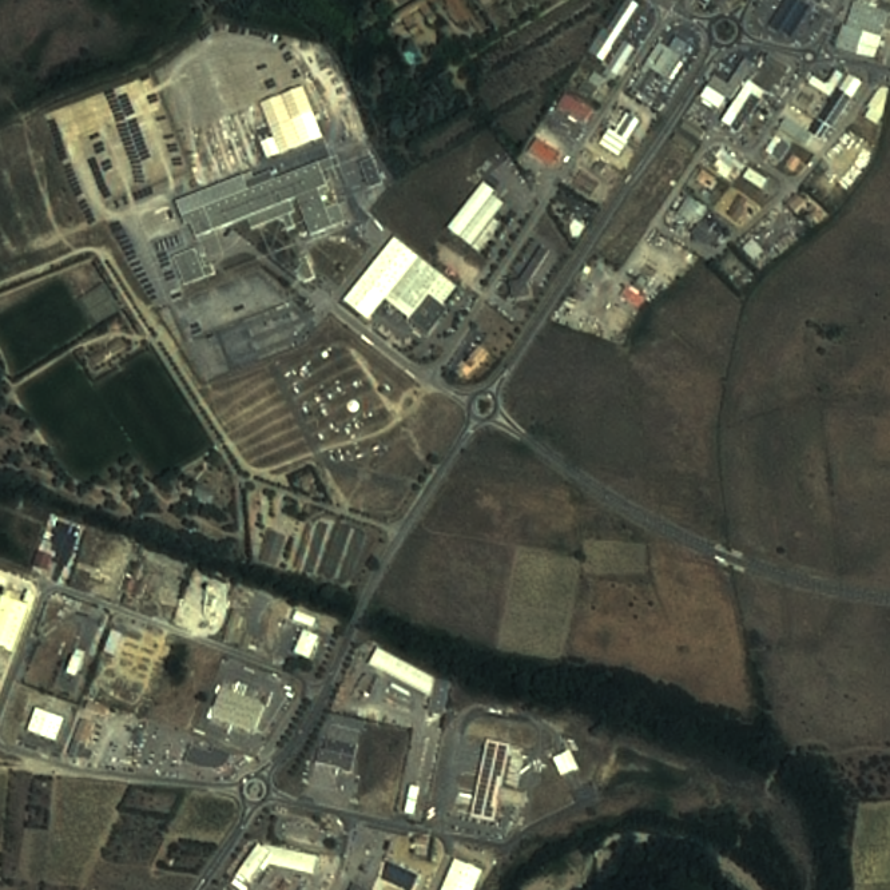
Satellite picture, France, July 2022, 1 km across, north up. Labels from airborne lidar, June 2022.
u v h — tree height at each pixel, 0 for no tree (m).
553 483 0
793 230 0
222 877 0
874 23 0
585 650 0
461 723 0
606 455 0
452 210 0
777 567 0
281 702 0
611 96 0
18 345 0
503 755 0
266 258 0
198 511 14
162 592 0
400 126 11
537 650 0
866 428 0
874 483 0
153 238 0
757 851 7
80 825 0
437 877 0
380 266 0
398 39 11
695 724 10
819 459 0
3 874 10
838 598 0
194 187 0
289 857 0
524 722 0
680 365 0
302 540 0
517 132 0
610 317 0
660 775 0
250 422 0
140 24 0
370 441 0
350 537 0
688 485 0
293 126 0
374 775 0
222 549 14
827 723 0
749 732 11
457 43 11
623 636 0
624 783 0
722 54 0
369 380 0
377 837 0
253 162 0
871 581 0
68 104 0
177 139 0
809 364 0
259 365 0
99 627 0
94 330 7
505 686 12
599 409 0
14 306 0
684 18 0
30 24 0
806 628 0
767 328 0
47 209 0
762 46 0
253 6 12
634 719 19
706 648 0
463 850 0
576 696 12
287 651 0
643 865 10
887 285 0
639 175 0
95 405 0
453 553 0
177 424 0
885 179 0
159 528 15
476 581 0
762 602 0
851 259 0
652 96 0
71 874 0
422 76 7
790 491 0
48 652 0
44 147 0
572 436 0
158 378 0
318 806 0
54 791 0
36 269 0
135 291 0
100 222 0
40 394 0
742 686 0
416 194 0
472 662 13
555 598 0
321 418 0
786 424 0
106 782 0
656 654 0
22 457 15
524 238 0
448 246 0
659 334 0
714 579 0
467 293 0
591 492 0
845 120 0
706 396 0
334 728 0
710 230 0
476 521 0
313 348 0
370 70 8
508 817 0
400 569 0
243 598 0
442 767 0
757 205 0
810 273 0
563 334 0
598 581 0
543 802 0
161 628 0
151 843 5
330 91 0
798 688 0
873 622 0
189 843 10
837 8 0
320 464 0
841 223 0
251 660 0
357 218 0
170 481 15
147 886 0
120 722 0
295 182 0
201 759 0
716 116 0
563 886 0
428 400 0
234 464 7
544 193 0
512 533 0
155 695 0
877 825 0
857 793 6
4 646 0
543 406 0
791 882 11
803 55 0
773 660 0
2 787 0
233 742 0
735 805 0
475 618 0
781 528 0
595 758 0
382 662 0
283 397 0
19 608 0
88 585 0
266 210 0
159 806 0
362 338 0
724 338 0
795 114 0
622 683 8
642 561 0
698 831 6
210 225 0
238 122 0
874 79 0
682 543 0
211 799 0
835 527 0
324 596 16
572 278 0
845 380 0
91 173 0
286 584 9
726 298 0
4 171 0
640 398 0
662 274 0
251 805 0
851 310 0
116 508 12
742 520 0
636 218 0
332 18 23
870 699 0
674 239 0
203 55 0
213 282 0
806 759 9
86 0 0
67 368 0
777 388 0
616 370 0
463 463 0
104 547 0
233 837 0
